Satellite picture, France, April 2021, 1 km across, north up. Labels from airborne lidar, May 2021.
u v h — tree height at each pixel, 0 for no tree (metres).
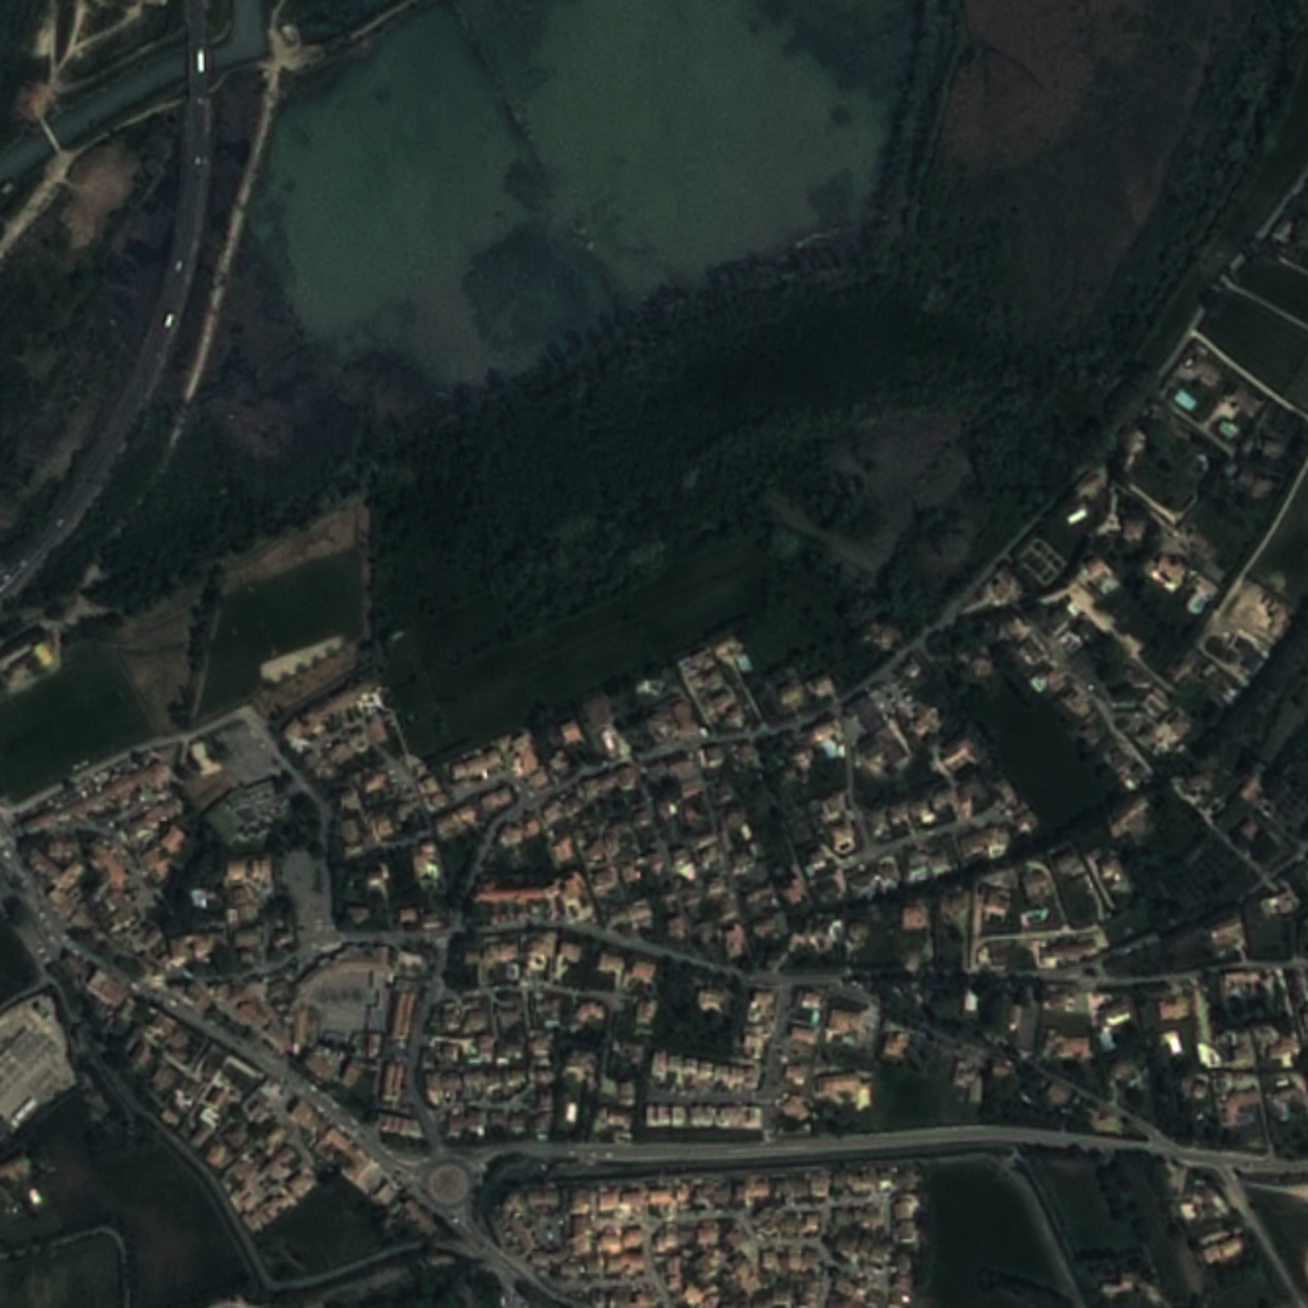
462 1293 10
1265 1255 16
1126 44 0
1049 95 0
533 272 0
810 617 10
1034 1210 0
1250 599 0
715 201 0
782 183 0
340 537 0
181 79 0
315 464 10
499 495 19
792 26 0
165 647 0
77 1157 0
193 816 10
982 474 13
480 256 0
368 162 0
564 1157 0
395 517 12
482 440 11
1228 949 0
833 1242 8
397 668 0
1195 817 13
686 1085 0
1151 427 17
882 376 6
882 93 0
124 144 0
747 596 0
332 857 8
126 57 0
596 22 0
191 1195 0
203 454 9
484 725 0
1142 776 0
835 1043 0
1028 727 0
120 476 9
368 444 9
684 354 13
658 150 0
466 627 0
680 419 15
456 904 12
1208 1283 8
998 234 10
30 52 0
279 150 0
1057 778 0
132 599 15
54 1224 0
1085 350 10
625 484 19
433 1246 10
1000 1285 16
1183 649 8
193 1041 8
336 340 0
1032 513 9
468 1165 0
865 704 0
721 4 0
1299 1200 0
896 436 0
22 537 6
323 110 0
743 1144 0
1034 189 0
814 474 11
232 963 20
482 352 0
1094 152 0
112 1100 8
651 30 0
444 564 9
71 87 0
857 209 0
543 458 22
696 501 18
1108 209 0
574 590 17
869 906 6
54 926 0
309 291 0
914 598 22
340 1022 0
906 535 6
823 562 15
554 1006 0
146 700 0
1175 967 8
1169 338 0
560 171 0
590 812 7
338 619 0
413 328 0
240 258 0
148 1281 0
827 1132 9
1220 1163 0
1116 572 8
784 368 8
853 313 7
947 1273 0
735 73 0
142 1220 0
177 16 0
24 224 0
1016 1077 11
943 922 8
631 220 0
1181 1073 11
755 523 15
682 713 0
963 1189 0
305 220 0
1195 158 11
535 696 0
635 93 0
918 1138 0
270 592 0
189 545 11
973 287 9
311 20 0
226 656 0
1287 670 6
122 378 0
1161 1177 19
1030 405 18
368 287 0
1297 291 0
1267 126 11
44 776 0
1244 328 0
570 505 22
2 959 0
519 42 0
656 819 6
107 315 0
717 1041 9
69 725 0
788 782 19
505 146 0
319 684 0
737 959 6
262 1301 16
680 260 0
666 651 0
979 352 6
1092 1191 0
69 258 0
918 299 10
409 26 0
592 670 0
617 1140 0
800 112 0
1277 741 0
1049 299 0
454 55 0
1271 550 0
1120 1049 8
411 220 0
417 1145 12
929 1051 6
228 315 0
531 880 8
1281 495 9
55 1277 0
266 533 9
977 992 10
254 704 0
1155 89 0
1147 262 6
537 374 5
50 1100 0
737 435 21
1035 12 0
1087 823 12
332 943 0
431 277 0
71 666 0
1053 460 18
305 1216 0
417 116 0
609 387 19
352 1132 0
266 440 0
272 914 12
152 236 0
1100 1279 13
